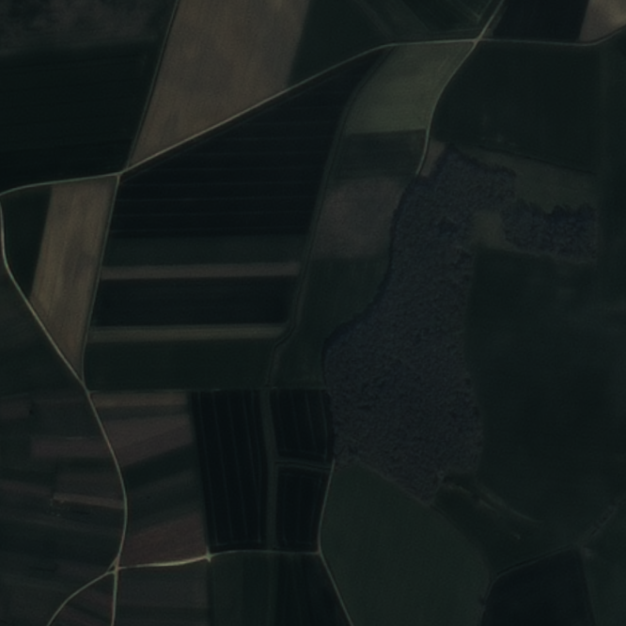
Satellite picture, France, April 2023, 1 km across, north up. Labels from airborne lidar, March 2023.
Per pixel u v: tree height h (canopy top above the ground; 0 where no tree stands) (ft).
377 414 74
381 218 0
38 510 0
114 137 0
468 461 62
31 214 0
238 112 0
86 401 0
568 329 0
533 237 57
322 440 0
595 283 0
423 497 49
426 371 73
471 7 0
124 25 0
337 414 52
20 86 0
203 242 0
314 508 0
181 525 0
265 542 0
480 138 0
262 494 0
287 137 0
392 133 0
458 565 0
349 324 0
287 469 0
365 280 0
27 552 0
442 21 0
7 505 0
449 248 72
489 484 0
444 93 0
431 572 0
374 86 0
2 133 0
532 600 0
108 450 0
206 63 0
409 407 79
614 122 0
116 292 0
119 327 0
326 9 0
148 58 0
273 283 0
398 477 59
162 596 0
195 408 0
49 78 0
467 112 0
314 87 0
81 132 0
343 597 0
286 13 0
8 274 0
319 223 0
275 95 0
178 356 0
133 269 0
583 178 0
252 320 0
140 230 0
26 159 0
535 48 0
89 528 0
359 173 0
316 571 0
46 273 0
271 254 0
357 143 0
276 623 0
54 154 0
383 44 0
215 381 0
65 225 0
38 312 0
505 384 0
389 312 71
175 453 0
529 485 0
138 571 0
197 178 0
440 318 73
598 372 0
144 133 0
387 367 60
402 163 0
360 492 0
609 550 0
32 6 0
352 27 0
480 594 0
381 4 0
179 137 0
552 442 0
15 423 0
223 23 0
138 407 0
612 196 0
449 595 0
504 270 0
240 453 0
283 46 0
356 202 0
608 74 0
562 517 0
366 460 48
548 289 0
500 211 49
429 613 0
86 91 0
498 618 0
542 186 0
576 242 59
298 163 0
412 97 0
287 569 0
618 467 0
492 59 0
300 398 0
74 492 0
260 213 0
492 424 0
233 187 0
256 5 0
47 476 0
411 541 0
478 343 0
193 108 0
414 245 70
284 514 0
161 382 0
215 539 0
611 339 0
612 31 0
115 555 0
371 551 0
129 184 0
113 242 0
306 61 0
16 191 0
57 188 0
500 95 0
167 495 0
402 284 72
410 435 75
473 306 0
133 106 0
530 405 0
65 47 0
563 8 0
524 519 0
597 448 0
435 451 75
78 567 0
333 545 0
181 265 0
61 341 0
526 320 0
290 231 0
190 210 0
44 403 0
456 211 67
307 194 0
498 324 0
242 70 0
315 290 0
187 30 0
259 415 0
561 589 0
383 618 0
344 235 0
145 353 0
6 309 0
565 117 0
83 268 0
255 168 0
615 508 37
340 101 0
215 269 0
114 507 0
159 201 0
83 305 0
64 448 0
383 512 0
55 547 0
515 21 0
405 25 0
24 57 0
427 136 0
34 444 0
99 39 0
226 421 0
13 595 0
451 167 60
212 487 0
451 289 73
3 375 0
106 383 0
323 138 0
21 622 0
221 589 0
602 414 0
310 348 0
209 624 0
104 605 0
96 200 0
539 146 0
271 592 0
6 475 0
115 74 0
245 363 0
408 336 78
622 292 0
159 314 0
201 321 0
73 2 0
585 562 0
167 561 0
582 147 0
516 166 0
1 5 0
